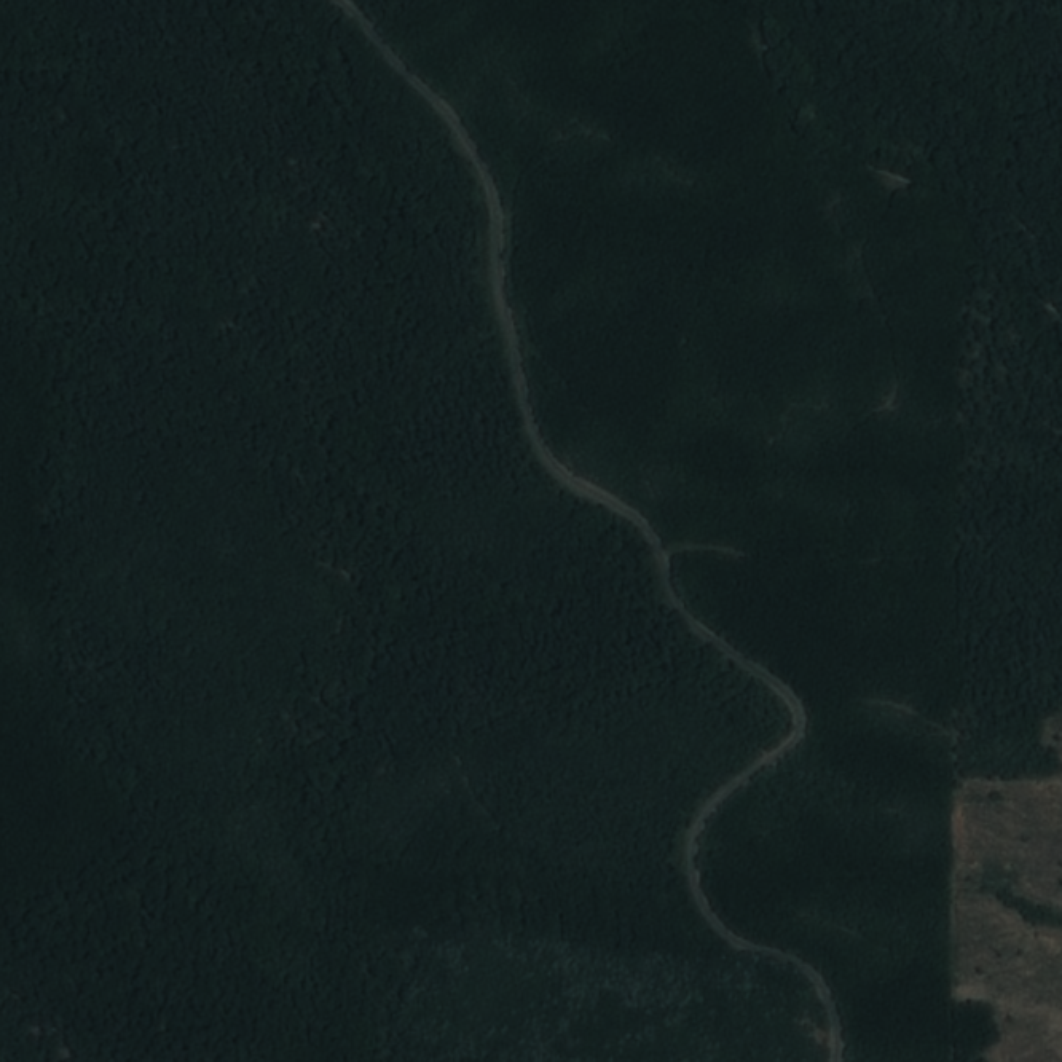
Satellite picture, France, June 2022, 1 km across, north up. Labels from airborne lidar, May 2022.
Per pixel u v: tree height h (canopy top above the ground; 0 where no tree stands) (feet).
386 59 40
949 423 25
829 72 60
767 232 42
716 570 36
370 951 38
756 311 35
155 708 49
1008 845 0
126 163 68
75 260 63
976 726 42
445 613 78
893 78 62
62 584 44
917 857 31
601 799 28
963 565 43
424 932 42
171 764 48
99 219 65
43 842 58
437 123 51
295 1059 50
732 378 45
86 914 70
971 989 0
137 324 62
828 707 33
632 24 26
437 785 18
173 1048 93
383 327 80
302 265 47
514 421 53
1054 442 42
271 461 31
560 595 83
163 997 56
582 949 47
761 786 49
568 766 31
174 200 64
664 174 23
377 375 66
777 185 43
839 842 37
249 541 35
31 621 30
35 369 48
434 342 48
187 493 40
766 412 20
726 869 30
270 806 48
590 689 53
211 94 61
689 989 45
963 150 65
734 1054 26
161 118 50
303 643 52
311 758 90
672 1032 29
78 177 76
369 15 51
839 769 35
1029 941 0
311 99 53
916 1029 39
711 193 27
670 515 36
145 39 67
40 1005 81
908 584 33
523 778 43
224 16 84
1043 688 49
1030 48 58
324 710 79
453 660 75
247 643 36
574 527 53
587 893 43
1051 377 34
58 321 81
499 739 45
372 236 88
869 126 76
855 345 32
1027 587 30
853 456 44
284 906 51
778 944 47
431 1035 34
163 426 78
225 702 43
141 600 56
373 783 20
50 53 52
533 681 65
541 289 31
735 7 35
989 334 51
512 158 38
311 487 79
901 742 31
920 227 29
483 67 19
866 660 42
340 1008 50
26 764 61
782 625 51
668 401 40
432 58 24
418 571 69
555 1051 28
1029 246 70
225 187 59
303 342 68
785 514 33
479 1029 27
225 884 53
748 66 46
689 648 57
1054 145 54
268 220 52
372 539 72
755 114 49
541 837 41
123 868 68
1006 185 76
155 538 32
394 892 57
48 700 58
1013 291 50
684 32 45
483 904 27
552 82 51
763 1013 35
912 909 22
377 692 87
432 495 39
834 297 32
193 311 64
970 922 0
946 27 39
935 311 34
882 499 24
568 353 45
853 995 45
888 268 29
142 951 61
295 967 46
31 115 47
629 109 49
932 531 25
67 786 54
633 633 62
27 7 46
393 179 77
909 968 34
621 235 47
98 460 42
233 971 65
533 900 34
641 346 54
